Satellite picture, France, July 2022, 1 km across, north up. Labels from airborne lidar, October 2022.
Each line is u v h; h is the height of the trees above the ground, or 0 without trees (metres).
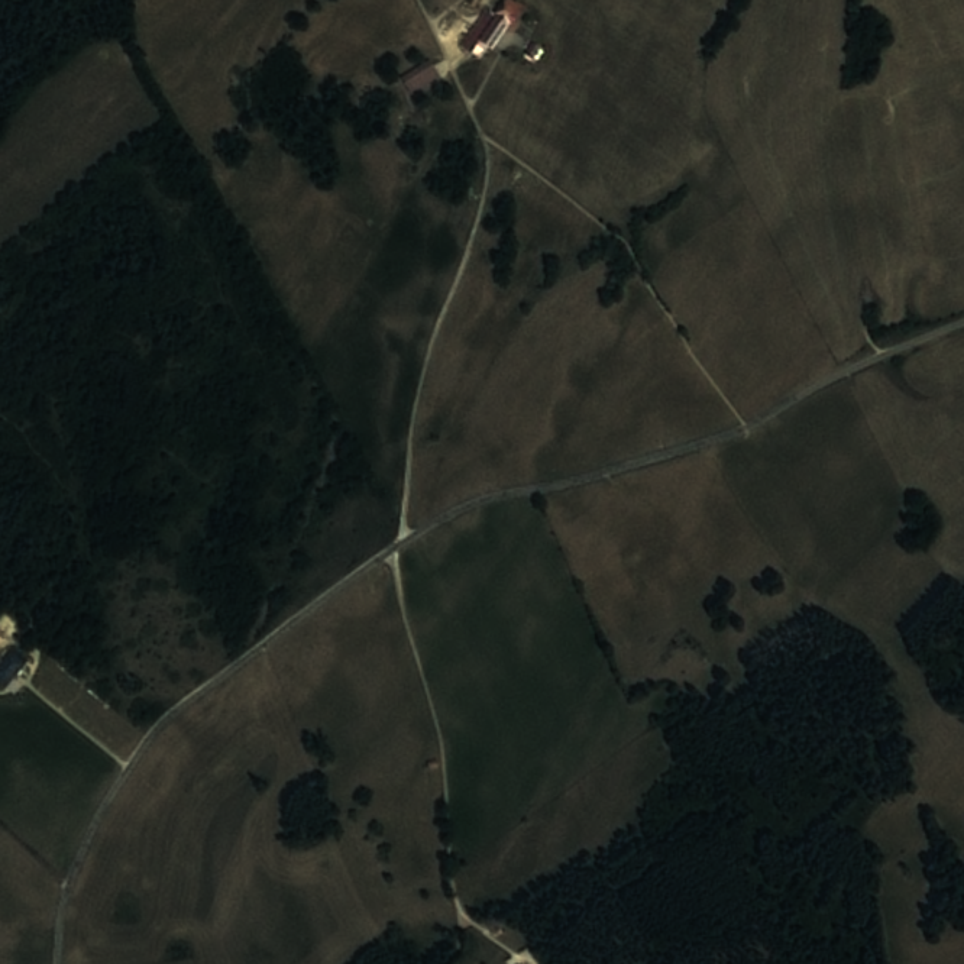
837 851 21
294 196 0
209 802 0
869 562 0
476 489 0
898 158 0
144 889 0
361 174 0
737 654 0
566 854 0
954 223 0
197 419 13
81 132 0
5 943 0
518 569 0
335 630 0
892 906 0
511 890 0
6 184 0
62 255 16
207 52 0
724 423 0
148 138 16
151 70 7
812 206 0
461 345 0
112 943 0
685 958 25
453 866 19
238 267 13
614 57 0
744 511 0
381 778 0
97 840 0
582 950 25
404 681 0
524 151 0
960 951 0
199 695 0
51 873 0
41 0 25
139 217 22
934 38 0
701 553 0
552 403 0
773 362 0
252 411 8
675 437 0
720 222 0
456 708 0
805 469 0
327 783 11
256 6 0
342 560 0
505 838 0
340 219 0
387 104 24
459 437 0
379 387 0
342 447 17
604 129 0
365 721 0
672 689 18
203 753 0
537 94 0
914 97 0
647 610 0
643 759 0
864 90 0
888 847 0
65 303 19
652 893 27
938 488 0
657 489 0
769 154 0
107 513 22
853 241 0
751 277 0
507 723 0
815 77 0
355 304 0
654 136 0
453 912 0
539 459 0
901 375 0
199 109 0
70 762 0
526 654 0
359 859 0
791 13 0
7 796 0
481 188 0
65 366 11
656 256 0
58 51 16
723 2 0
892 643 0
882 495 0
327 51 0
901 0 0
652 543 0
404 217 0
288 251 0
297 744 0
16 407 12
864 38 21
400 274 0
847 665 30
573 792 0
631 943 24
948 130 0
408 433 0
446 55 0
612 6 0
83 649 9
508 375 0
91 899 0
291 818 0
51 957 0
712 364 0
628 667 0
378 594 0
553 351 0
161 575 0
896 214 0
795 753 17
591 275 0
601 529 0
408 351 0
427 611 0
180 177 13
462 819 0
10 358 17
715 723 22
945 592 27
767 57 0
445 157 8
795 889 11
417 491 0
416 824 0
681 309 0
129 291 20
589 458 0
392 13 0
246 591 13
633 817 0
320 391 10
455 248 0
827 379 0
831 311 0
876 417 0
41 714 0
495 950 0
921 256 0
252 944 0
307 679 0
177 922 0
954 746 0
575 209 0
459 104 0
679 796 16
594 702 0
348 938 0
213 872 0
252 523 13
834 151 0
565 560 0
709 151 0
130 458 14
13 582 8
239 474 11
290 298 0
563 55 0
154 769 0
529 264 0
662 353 0
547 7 0
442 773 0
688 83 0
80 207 14
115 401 13
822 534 0
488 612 0
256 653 0
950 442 0
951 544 0
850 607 0
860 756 28
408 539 0
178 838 0
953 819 0
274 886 0
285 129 6
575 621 0
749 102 0
